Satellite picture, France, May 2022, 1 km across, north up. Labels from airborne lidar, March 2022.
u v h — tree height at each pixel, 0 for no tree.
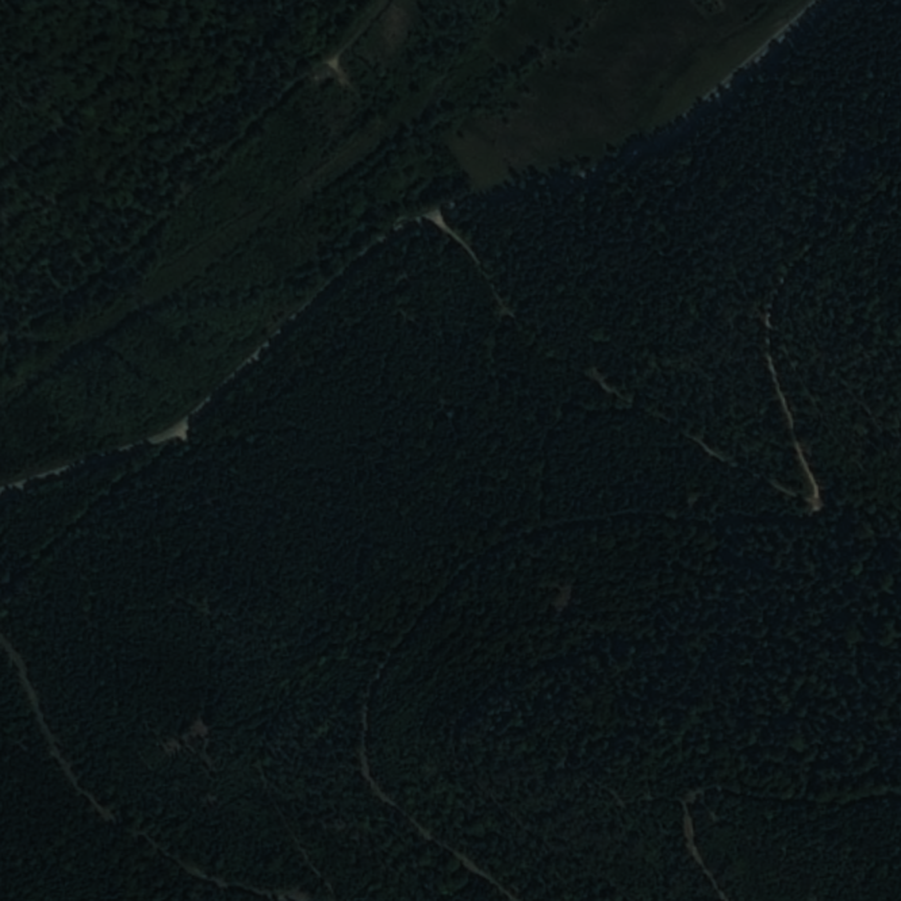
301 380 17
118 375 24
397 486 25
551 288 23
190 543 22
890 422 20
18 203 10
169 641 12
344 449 20
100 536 20
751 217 26
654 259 32
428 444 25
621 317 26
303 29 22
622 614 15
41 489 16
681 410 10
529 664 17
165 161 24
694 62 0
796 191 15
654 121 0
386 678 10
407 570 17
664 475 23
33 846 17
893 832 14
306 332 19
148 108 15
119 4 24
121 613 15
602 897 20
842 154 17
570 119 0
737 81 0
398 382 20
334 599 21
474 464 16
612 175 26
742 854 9
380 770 11
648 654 38
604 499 27
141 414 19
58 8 11
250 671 16
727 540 22
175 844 12
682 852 26
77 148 12
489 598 12
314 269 18
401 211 10
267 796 8
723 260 27
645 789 8
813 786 22
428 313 18
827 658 9
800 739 34
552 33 0
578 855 7
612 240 32
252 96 29
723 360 22
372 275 11
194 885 17
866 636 41
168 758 7
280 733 26
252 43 13
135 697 17
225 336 17
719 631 33
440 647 18
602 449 21
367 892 8
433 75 19
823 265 9
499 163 0
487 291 16
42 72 28
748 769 18
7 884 16
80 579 20
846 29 34
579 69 0
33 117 12
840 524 24
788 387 11
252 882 13
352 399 17
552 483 18
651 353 20
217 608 17
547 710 31
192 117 35
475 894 26
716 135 30
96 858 17
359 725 17
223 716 14
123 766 10
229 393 16
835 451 10
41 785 16
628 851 26
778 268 25
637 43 0
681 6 0
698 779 16
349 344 21
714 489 13
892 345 9
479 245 25
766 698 20
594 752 21
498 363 24
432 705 7
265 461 21
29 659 9
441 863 24
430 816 8
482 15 26
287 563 13
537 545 19
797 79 29
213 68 27
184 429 0
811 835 14
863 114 29
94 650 15
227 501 21
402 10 0
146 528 22
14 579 34
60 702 10
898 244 11
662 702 36
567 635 22
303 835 9
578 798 18
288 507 18
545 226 26
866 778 34
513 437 23
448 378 19
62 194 16
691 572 19
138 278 29
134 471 14
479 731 23
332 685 8
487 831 14
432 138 16
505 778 28
